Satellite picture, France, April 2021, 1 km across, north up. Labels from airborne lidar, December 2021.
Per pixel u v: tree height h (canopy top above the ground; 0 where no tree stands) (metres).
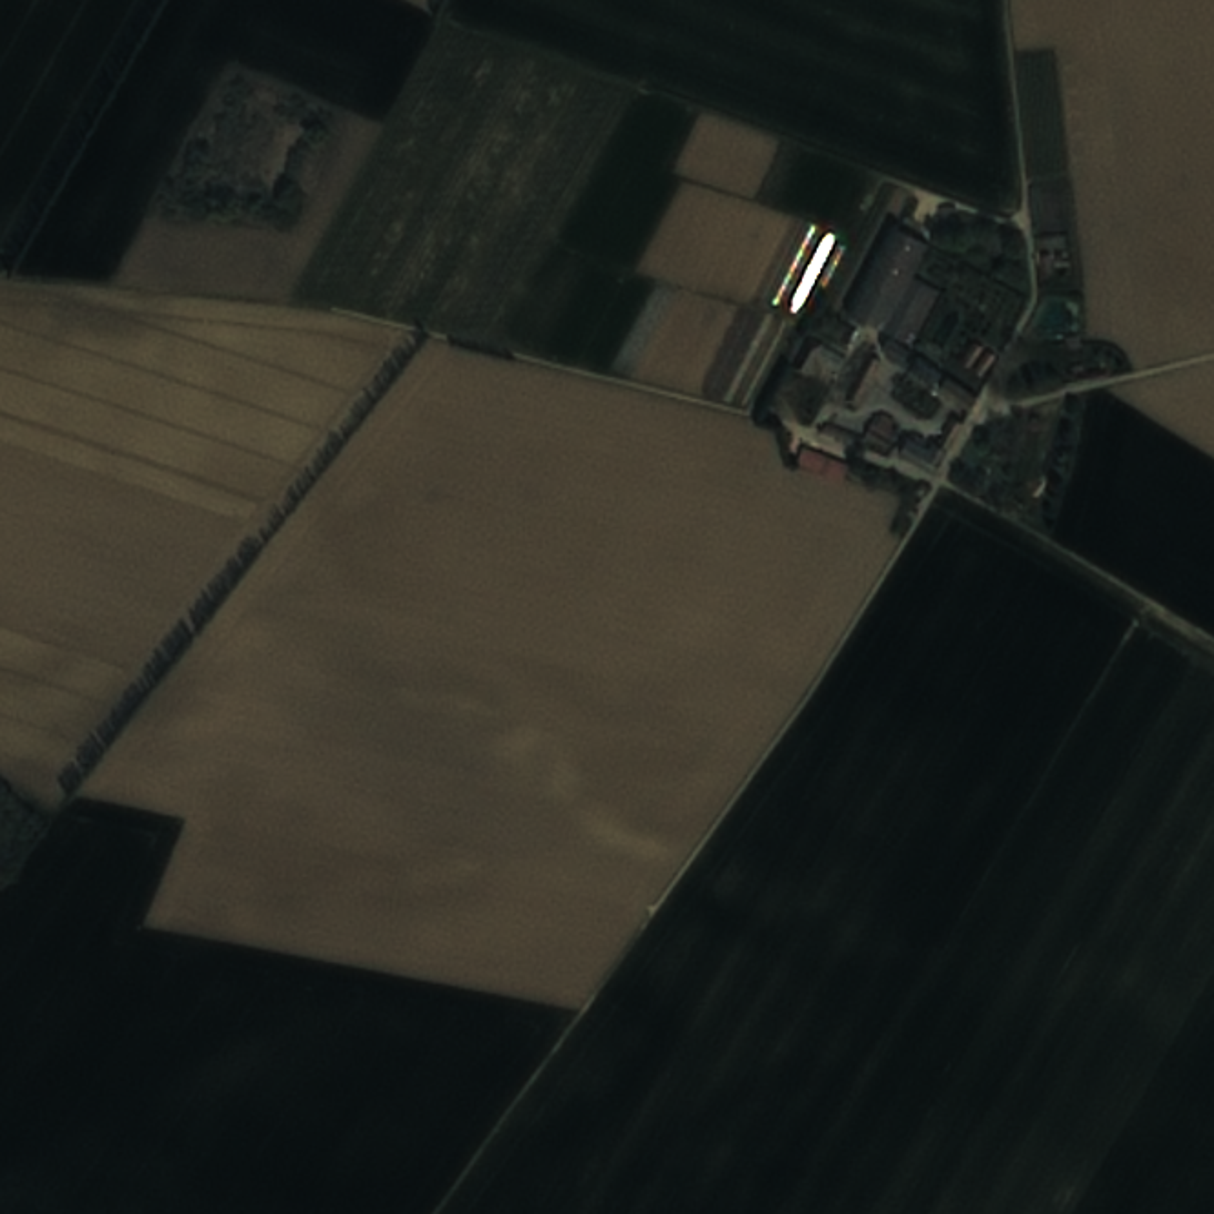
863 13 0
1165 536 0
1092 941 0
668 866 0
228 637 0
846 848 0
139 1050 0
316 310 0
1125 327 0
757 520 0
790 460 11
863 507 0
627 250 0
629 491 0
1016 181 0
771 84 0
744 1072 0
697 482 0
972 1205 0
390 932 0
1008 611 0
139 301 0
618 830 0
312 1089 0
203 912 0
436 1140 0
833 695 0
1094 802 0
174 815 0
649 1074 0
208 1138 0
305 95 0
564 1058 0
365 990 0
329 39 0
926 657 0
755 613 0
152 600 0
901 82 0
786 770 0
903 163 0
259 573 0
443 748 0
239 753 0
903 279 0
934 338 0
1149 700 0
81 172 0
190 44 0
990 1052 0
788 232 0
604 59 0
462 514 0
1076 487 0
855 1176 0
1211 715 0
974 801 0
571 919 0
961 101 0
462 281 0
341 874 0
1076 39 0
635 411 0
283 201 11
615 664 0
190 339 0
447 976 0
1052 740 0
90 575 0
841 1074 0
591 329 0
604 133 0
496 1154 0
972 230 11
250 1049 0
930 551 0
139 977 0
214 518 0
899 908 0
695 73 0
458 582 0
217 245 0
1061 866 0
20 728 0
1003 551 0
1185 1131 0
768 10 0
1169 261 0
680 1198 0
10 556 0
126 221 0
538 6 0
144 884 0
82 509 0
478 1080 0
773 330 0
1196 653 0
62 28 0
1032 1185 0
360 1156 0
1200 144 0
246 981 0
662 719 0
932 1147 0
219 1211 0
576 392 0
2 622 0
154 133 0
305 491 16
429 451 0
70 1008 0
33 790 0
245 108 0
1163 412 0
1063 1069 0
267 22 0
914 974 0
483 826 0
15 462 0
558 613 0
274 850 0
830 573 0
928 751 0
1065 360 0
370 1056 0
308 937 0
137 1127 0
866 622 0
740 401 0
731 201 0
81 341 0
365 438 0
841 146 0
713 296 0
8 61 0
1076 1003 0
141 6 0
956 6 0
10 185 0
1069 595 0
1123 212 0
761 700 0
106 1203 0
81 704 0
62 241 0
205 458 0
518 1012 0
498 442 0
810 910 0
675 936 0
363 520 0
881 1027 0
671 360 0
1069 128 0
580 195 0
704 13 0
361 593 0
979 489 15
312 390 0
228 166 0
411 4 0
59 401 0
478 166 0
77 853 0
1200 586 0
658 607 0
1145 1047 0
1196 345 0
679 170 0
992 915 0
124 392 0
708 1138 0
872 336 0
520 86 0
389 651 0
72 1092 0
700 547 0
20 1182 0
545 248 0
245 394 0
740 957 0
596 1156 0
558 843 0
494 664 0
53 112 0
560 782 0
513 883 0
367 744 0
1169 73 0
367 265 0
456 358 0
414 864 0
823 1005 0
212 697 0
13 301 0
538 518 0
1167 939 0
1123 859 0
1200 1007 0
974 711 0
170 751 0
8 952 0
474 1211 0
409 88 0
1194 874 0
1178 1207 0
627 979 0
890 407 0
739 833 0
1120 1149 0
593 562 0
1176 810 0
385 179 0
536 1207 0
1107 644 0
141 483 0
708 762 0
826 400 0
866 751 0
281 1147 0
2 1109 0
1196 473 0
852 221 0
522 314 0
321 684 0
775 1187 0
